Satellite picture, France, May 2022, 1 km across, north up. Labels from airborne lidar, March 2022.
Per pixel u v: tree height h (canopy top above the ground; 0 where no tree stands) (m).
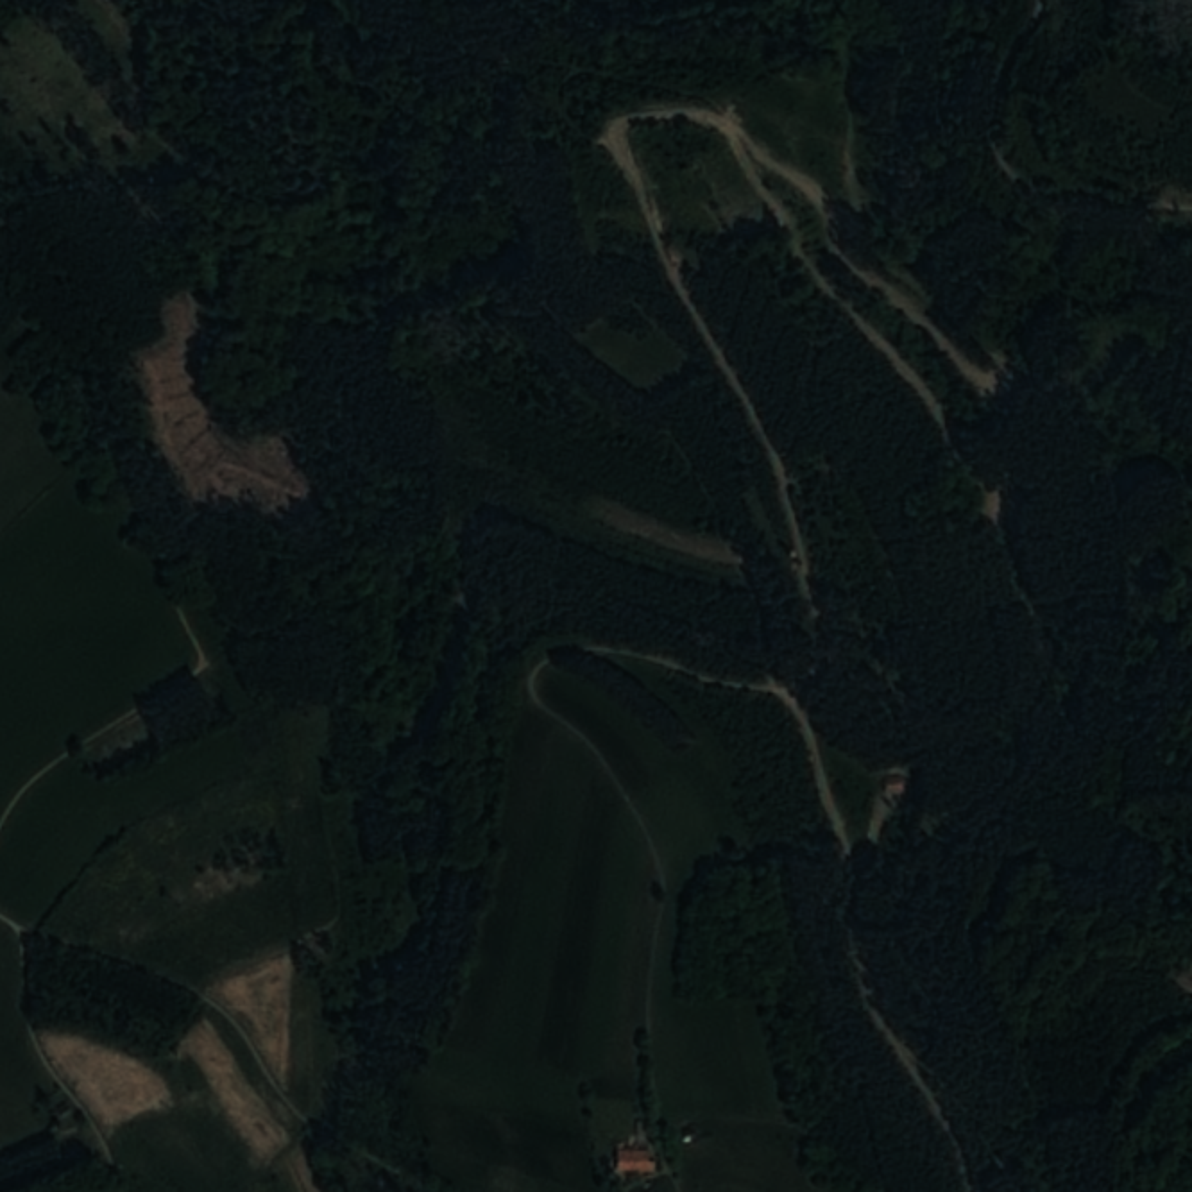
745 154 0
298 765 0
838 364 15
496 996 0
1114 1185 28
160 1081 0
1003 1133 26
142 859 0
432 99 31
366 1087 26
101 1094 0
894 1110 24
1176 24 23
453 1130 0
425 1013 25
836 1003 31
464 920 27
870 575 7
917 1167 14
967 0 30
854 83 33
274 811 0
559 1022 0
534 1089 0
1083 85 7
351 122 9
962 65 11
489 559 22
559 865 0
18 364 7
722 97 0
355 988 8
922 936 31
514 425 6
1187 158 7
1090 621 34
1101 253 20
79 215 18
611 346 0
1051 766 30
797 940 32
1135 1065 7
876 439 14
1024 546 38
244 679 20
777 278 13
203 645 0
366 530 31
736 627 15
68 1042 0
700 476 10
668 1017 0
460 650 23
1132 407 29
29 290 17
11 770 0
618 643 18
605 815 0
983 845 20
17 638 0
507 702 24
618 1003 0
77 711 0
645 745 0
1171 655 28
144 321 17
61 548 0
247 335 24
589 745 0
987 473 36
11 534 0
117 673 0
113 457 24
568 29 25
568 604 20
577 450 7
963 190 19
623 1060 0
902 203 36
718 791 0
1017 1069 21
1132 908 26
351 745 13
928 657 22
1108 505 32
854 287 33
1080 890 32
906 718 29
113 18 0
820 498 8
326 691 18
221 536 20
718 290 15
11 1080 0
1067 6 11
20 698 0
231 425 32
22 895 0
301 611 19
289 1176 0
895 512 11
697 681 9
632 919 0
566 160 22
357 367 27
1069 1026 17
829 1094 22
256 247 31
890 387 12
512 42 34
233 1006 0
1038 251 30
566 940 0
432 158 23
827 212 0
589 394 30
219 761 0
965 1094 24
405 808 25
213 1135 0
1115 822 15
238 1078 0
